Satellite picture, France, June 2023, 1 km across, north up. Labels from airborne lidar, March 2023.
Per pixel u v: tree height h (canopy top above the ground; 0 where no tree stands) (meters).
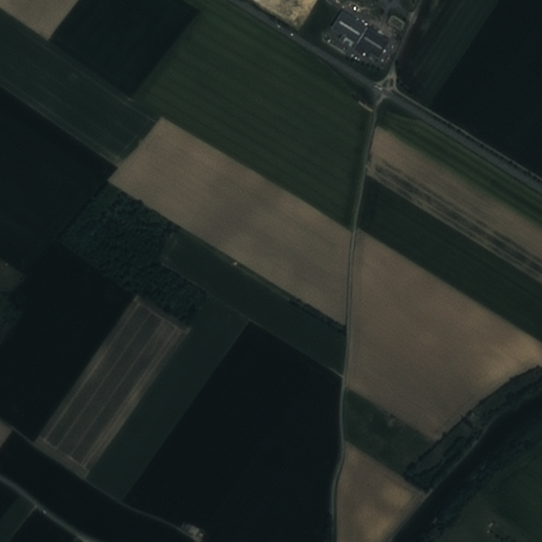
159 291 18
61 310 0
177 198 0
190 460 0
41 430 0
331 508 0
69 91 0
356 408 0
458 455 16
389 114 0
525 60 0
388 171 0
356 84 0
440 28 0
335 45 0
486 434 0
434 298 0
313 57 0
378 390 0
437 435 0
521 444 6
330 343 0
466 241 0
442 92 0
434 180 0
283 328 0
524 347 0
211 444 0
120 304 0
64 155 0
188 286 9
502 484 0
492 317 0
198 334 0
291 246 0
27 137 0
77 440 0
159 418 0
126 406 0
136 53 0
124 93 0
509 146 0
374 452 0
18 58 0
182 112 0
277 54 0
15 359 0
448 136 0
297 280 0
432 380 0
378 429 0
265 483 0
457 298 0
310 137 0
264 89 0
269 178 0
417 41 0
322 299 0
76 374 0
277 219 0
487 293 0
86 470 0
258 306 0
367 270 0
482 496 0
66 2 0
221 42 0
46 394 0
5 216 0
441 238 0
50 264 0
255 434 0
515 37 0
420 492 0
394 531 0
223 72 0
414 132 0
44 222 0
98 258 9
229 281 0
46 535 0
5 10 0
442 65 0
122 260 11
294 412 0
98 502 0
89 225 10
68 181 0
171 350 0
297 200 0
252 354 0
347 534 0
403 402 0
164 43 0
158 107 0
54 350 0
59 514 0
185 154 0
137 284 14
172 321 0
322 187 0
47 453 0
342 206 0
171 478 0
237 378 0
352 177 0
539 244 0
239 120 0
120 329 0
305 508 0
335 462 0
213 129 0
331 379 0
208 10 0
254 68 0
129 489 0
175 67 0
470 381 0
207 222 0
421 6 0
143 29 0
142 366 0
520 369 0
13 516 0
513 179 0
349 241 0
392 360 0
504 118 0
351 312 0
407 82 0
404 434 0
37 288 0
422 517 0
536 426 0
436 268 0
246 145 0
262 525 0
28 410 0
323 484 0
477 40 0
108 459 0
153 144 0
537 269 0
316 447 0
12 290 0
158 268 15
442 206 0
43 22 0
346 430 0
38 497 0
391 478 0
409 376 0
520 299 0
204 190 0
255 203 0
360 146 0
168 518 0
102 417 0
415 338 0
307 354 0
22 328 0
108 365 0
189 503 0
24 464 0
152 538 0
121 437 0
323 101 0
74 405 0
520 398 13
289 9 0
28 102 0
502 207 0
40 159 0
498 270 0
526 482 0
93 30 0
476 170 0
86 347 0
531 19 0
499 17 0
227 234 0
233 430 0
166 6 0
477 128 0
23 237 0
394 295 0
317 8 0
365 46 0
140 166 0
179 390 0
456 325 0
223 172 0
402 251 0
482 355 0
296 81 0
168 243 0
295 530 0
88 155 0
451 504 16
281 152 0
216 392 0
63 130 0
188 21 0
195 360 0
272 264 0
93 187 0
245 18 0
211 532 0
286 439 0
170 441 0
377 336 0
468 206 0
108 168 0
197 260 0
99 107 0
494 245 0
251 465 0
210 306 0
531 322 0
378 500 0
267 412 0
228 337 0
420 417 0
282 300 0
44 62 0
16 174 0
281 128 0
